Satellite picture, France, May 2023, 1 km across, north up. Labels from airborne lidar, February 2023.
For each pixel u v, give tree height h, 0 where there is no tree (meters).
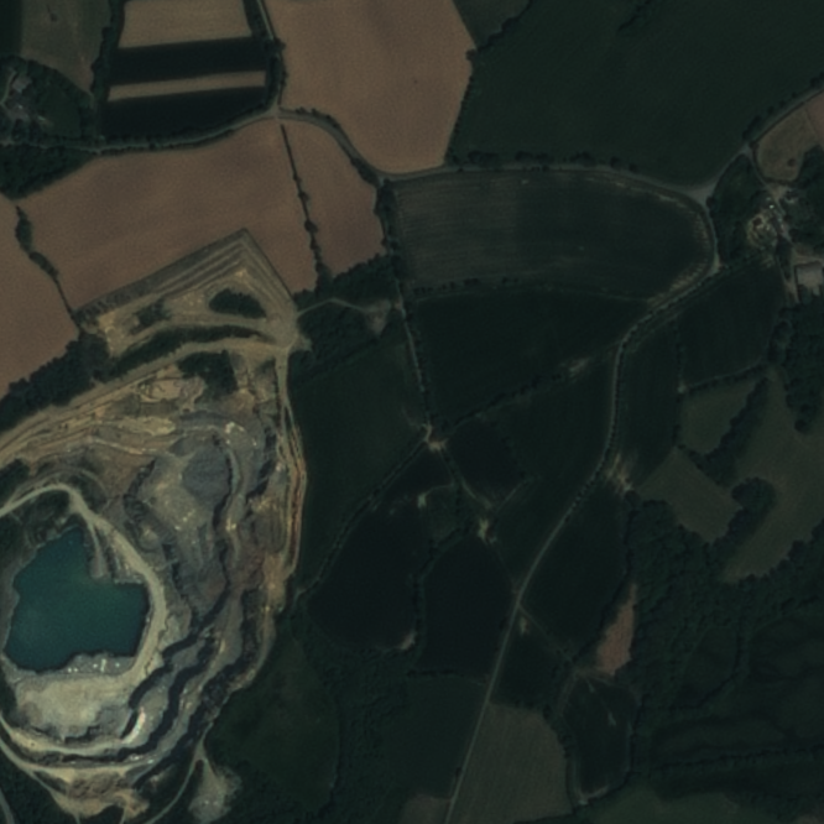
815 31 0
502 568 0
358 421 0
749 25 0
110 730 0
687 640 9
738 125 0
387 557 0
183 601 0
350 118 0
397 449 0
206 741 7
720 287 0
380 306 0
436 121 0
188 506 0
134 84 0
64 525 0
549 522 0
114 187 0
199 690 0
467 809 0
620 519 0
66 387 20
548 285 0
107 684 0
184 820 0
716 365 0
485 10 0
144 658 0
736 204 0
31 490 0
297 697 0
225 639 0
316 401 0
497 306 0
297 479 0
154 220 0
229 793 0
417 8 0
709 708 13
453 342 0
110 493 0
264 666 0
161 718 0
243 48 0
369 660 7
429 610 0
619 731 0
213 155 0
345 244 0
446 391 0
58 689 0
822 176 8
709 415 0
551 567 0
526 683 0
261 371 0
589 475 0
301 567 0
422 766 0
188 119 0
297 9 0
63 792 0
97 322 0
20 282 0
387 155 0
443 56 0
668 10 0
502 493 0
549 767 0
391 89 0
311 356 5
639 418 0
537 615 0
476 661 0
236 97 0
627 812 0
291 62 0
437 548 8
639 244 0
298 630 9
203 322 0
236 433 0
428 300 0
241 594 0
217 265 0
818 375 7
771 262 0
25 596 0
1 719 0
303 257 0
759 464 0
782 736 0
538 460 0
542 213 0
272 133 0
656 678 23
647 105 0
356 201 0
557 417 0
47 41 0
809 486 0
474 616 0
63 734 0
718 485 18
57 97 0
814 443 0
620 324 0
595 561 0
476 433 0
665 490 0
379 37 0
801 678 0
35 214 0
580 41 0
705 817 0
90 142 14
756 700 0
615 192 0
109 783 0
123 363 7
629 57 0
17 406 22
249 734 0
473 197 0
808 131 0
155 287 0
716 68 0
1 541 7
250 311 8
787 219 11
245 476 0
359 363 0
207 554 0
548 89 0
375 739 12
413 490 0
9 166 8
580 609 0
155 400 0
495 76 0
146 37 0
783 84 0
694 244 0
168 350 8
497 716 0
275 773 0
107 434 0
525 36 0
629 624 0
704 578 9
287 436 0
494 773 0
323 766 0
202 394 0
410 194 0
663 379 0
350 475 0
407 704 13
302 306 7
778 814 7
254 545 0
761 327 0
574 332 0
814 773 0
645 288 0
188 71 0
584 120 0
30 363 0
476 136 0
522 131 0
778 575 16
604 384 0
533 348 0
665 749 0
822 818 0
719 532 0
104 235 0
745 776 0
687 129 0
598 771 0
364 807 7
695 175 0
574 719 0
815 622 0
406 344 7
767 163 0
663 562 22
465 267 0
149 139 9
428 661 0
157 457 0
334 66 0
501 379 0
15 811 19
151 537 0
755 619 9
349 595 0
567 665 9
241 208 0
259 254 0
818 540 19
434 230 0
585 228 0
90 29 0
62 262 0
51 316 0
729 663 0
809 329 20
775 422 0
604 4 0
